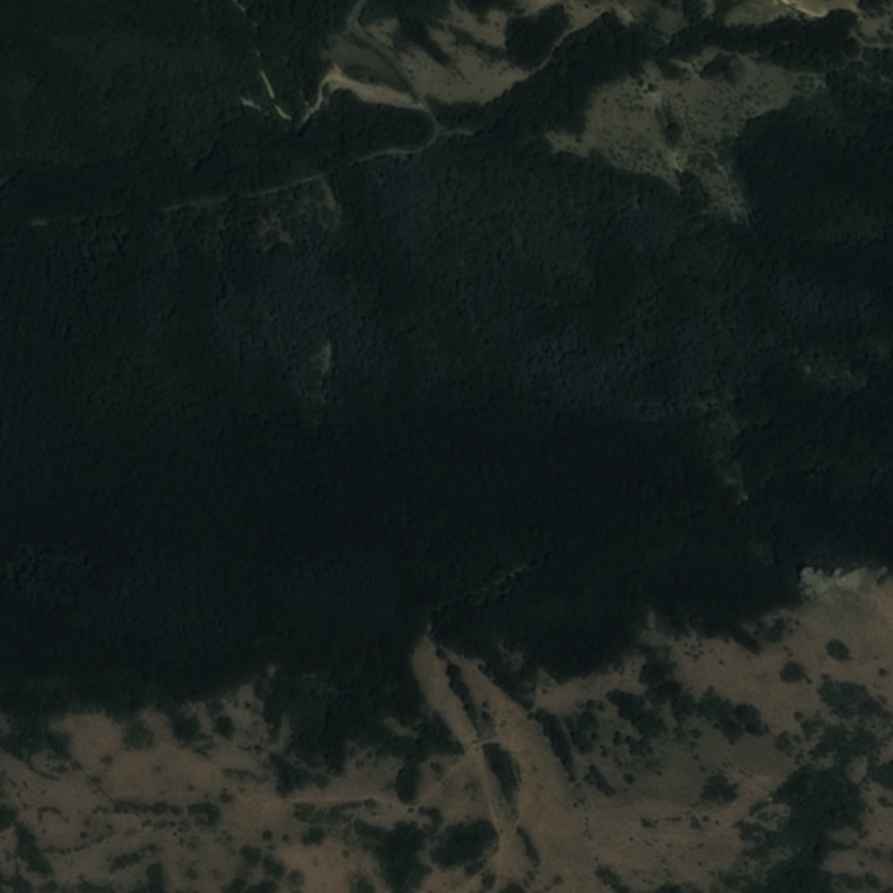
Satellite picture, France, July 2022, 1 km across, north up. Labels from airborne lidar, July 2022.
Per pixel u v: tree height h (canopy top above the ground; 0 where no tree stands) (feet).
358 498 70
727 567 29
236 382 51
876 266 68
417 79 0
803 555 25
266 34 64
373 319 48
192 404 42
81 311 52
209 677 52
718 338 36
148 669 65
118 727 0
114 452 88
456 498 61
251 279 68
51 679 22
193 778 0
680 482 68
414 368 59
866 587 0
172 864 0
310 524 65
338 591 68
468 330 36
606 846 0
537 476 64
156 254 54
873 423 80
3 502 42
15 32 64
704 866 0
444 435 81
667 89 0
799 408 69
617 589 30
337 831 0
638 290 39
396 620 57
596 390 65
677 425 51
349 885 0
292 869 0
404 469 82
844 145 47
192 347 68
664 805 0
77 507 66
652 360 25
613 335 57
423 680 0
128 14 41
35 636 58
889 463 40
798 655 0
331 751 31
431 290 32
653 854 0
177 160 70
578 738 30
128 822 0
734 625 29
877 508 38
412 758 30
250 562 63
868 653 0
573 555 54
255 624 52
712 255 36
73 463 75
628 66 50
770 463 50
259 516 56
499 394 60
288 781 28
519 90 47
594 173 23
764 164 54
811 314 41
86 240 74
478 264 41
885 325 43
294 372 50
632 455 68
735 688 0
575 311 52
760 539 52
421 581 54
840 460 38
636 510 61
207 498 80
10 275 47
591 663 39
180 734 23
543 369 43
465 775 0
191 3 66
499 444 70
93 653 52
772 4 0
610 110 0
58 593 59
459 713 0
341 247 25
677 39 48
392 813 0
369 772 0
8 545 58
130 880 0
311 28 41
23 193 64
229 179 50
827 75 26
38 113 53
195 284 65
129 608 70
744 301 50
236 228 26
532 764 0
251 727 0
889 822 0
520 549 37
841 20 64
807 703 0
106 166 68
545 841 0
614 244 61
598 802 0
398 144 34
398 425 81
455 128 40
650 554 43
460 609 46
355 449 63
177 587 52
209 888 0
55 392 56
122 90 34
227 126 55
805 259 69
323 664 34
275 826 0
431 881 0
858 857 0
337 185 51
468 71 0
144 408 62
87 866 0
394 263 54
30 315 58
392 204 35
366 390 62
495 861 0
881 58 38
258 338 45
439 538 47
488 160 53
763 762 0
